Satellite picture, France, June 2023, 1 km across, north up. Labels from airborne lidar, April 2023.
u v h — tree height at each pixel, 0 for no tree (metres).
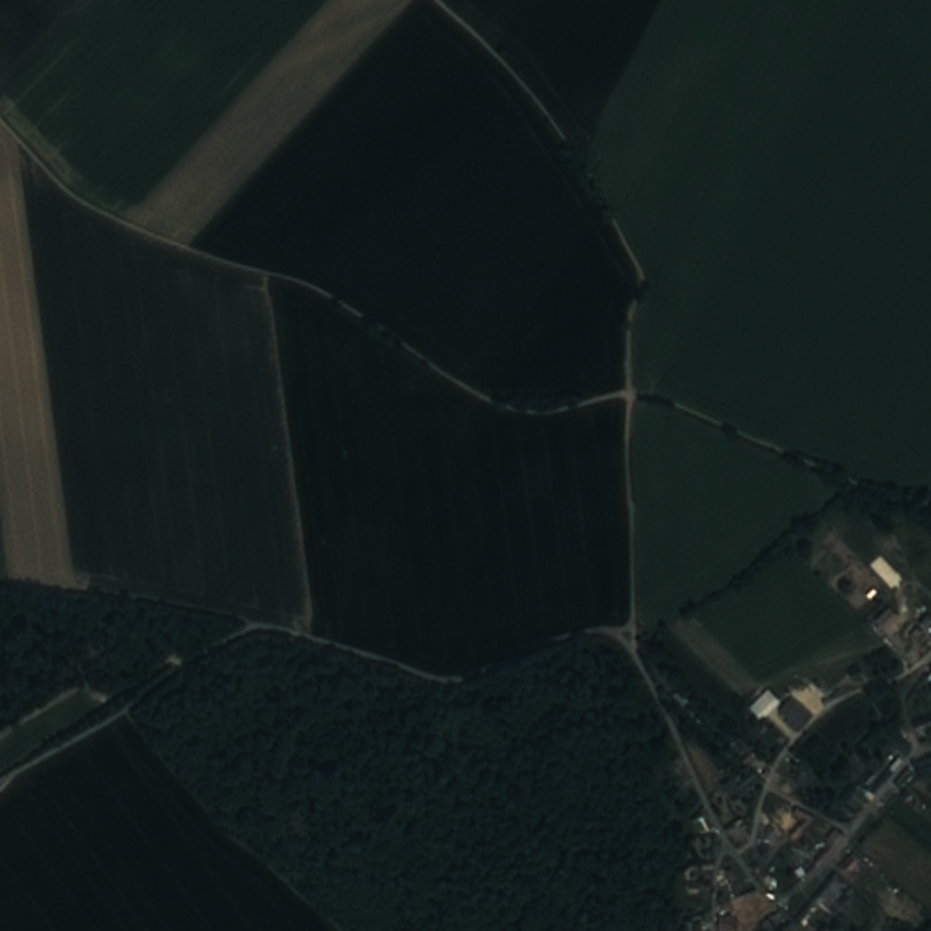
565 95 0
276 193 0
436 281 0
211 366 0
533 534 0
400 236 0
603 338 0
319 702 23
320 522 0
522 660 16
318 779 22
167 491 0
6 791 0
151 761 0
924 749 0
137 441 0
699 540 0
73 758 0
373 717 11
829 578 0
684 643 0
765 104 0
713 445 0
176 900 0
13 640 23
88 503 0
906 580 0
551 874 26
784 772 0
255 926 0
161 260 0
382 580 0
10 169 0
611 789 27
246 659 23
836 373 0
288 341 0
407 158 0
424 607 0
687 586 0
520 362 0
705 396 0
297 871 8
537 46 0
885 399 0
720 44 0
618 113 0
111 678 17
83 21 0
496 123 0
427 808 28
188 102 0
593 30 0
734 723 6
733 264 0
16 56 0
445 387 0
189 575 0
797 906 0
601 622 0
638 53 0
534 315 0
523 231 0
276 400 0
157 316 0
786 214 0
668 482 0
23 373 0
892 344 0
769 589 0
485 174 0
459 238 0
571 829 24
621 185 0
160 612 13
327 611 0
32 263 0
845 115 0
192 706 18
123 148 0
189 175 0
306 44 0
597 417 0
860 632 0
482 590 0
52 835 0
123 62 0
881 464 0
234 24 0
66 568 0
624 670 10
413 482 0
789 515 0
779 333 0
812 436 0
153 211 0
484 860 25
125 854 0
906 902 0
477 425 0
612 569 0
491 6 0
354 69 0
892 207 0
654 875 16
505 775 23
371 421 0
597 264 0
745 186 0
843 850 0
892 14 0
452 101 0
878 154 0
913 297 0
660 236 0
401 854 23
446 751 12
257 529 0
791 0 0
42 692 24
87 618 21
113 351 0
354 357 0
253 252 0
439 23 0
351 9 0
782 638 0
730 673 0
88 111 0
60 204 0
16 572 0
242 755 23
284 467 0
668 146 0
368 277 0
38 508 0
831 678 0
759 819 0
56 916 0
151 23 0
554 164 0
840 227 0
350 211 0
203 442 0
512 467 0
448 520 0
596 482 0
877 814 0
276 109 0
